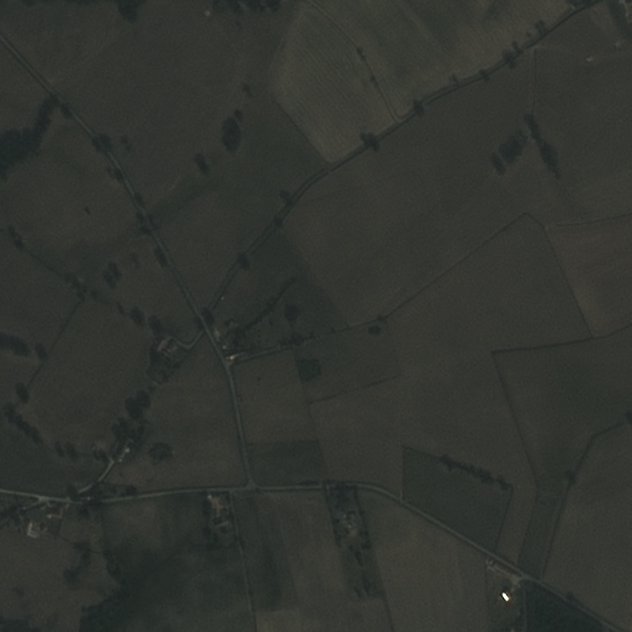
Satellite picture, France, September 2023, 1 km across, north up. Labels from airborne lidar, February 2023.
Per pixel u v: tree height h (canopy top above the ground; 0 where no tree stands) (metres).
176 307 0
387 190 0
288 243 0
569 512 0
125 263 0
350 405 0
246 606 0
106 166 0
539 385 0
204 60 0
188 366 0
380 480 0
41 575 0
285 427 0
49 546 0
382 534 0
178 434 0
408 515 0
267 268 0
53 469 0
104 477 0
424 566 0
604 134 0
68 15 0
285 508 0
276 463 0
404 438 0
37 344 0
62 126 0
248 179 0
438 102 0
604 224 0
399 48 0
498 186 0
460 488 0
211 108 0
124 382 0
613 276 0
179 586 0
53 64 0
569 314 0
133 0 16
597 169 0
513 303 0
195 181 0
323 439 0
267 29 0
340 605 0
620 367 0
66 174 0
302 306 0
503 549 0
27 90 0
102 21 0
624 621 0
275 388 0
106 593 0
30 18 0
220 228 0
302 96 0
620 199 0
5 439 0
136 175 0
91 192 0
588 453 0
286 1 0
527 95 0
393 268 0
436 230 0
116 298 0
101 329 0
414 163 0
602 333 0
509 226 0
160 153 0
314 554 0
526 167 0
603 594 0
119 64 0
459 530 0
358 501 16
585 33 0
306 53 0
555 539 0
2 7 0
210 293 0
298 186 0
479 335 0
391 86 0
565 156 0
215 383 0
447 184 0
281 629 0
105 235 0
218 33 0
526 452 0
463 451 0
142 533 0
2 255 0
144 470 0
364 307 0
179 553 0
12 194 0
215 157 0
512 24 0
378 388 0
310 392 0
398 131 0
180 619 0
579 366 0
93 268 0
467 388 0
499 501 0
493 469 0
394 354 0
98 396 0
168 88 0
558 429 0
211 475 0
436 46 0
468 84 0
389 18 0
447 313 0
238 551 0
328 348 0
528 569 0
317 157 0
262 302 0
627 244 0
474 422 0
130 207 0
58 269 0
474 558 0
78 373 0
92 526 0
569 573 0
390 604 0
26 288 0
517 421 0
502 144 0
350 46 0
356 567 0
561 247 0
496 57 0
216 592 0
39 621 0
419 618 0
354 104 0
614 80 0
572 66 0
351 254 0
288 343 9
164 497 0
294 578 0
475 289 0
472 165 0
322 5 0
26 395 18
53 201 0
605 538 0
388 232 0
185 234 0
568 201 0
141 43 0
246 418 0
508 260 0
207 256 0
